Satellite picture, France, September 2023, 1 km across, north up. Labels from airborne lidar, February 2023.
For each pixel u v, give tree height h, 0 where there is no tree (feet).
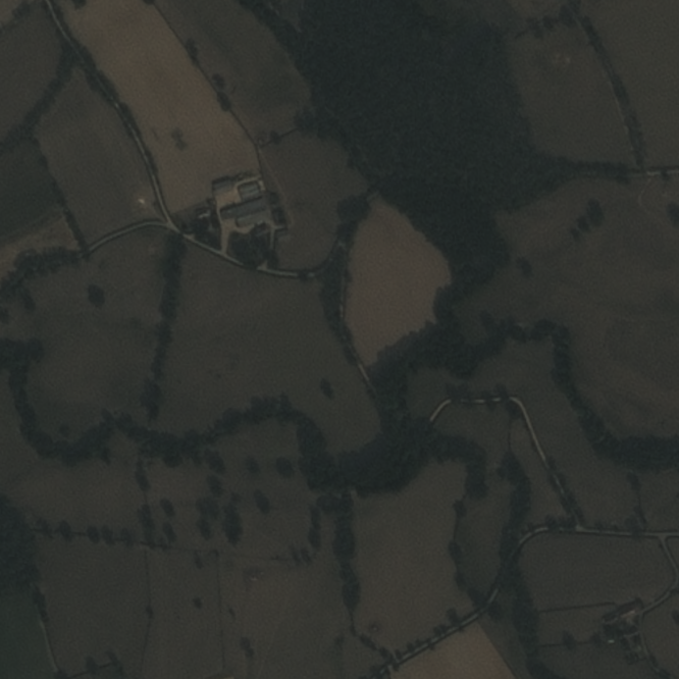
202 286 0
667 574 0
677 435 0
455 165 72
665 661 0
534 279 0
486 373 0
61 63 39
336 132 74
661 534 0
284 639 0
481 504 0
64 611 0
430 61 68
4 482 0
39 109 40
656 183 0
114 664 64
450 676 0
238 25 0
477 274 73
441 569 0
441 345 71
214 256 0
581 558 0
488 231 69
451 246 79
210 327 0
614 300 0
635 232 0
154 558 0
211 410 0
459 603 0
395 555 0
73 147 0
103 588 0
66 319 0
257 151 0
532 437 0
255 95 0
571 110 0
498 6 0
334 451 0
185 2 0
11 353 63
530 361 0
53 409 0
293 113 0
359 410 0
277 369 0
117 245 0
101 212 0
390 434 67
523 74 0
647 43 0
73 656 0
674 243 0
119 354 0
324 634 0
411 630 0
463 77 86
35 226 0
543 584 0
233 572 0
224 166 0
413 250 0
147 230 0
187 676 0
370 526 0
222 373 0
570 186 0
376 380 83
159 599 0
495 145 77
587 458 0
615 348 0
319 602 0
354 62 85
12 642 0
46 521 0
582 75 0
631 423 0
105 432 43
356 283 0
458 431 0
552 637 0
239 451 0
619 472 0
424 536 0
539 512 0
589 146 0
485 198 41
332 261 30
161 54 0
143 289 0
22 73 0
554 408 0
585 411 44
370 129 58
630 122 60
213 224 40
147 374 0
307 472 63
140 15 0
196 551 0
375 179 33
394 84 80
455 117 70
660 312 0
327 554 0
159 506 0
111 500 0
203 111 0
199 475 0
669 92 0
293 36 74
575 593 0
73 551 0
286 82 0
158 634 0
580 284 0
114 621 0
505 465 30
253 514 0
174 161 0
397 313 0
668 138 0
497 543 0
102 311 0
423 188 70
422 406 0
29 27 0
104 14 0
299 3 0
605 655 0
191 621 0
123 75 0
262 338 0
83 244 45
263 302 0
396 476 39
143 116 0
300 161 0
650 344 0
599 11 0
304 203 0
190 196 0
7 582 76
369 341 0
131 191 0
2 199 0
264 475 0
